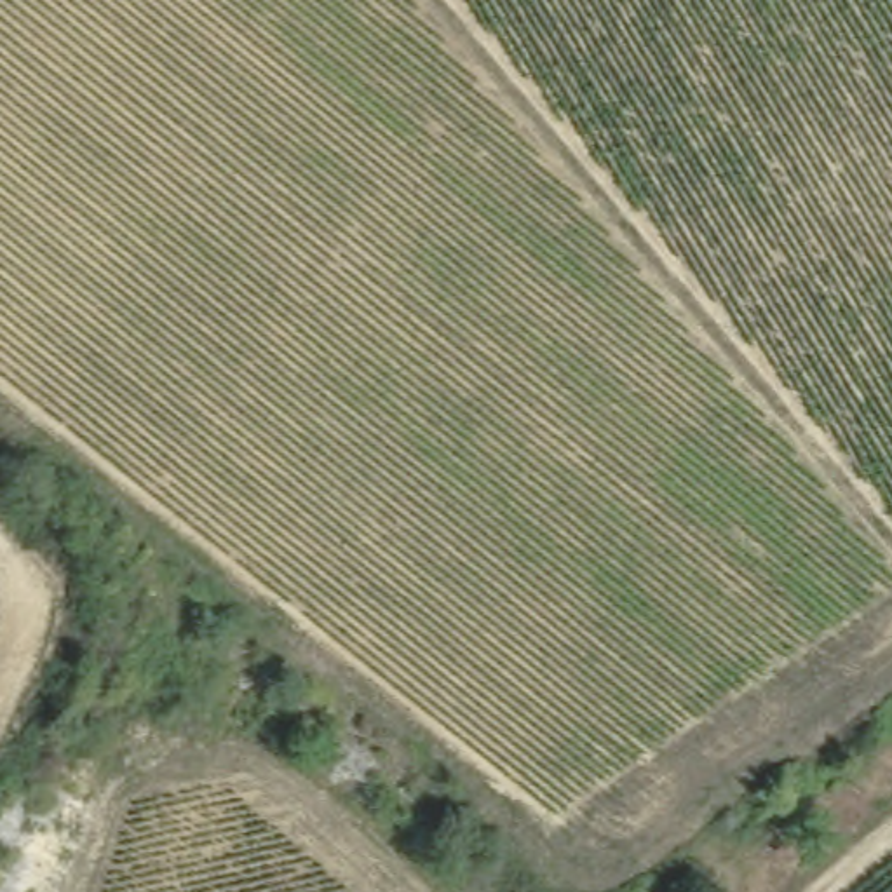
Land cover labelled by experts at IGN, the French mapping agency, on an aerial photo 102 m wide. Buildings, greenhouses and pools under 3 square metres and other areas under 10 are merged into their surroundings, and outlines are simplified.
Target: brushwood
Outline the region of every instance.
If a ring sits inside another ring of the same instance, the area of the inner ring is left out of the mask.
[[[836,812],[815,808],[812,794],[826,794],[833,787],[864,781],[878,753],[878,739],[892,742],[892,700],[882,711],[871,707],[843,735],[826,739],[815,753],[815,763],[784,770],[774,791],[742,791],[735,805],[714,808],[711,819],[669,854],[669,861],[693,864],[693,857],[714,840],[735,850],[763,843],[774,850],[798,847],[801,868],[815,868],[819,875],[829,864],[836,864],[850,847]]]
[[[38,662],[31,683],[24,686],[14,707],[14,718],[7,721],[0,714],[0,815],[7,808],[56,808],[63,794],[52,787],[52,767],[77,770],[80,760],[91,760],[98,777],[112,781],[129,753],[132,725],[146,721],[160,732],[206,746],[216,746],[220,739],[258,742],[268,718],[314,707],[307,693],[314,686],[314,672],[286,666],[279,655],[286,645],[279,641],[279,627],[289,620],[265,599],[247,596],[209,554],[178,537],[164,519],[146,512],[122,488],[115,488],[101,470],[84,463],[66,443],[38,429],[28,443],[0,439],[0,526],[21,551],[31,551],[52,564],[63,571],[63,627],[52,659]]]
[[[432,861],[422,871],[422,878],[436,892],[568,892],[544,885],[537,871],[523,861],[519,847],[498,833],[495,822],[484,822],[470,801],[460,801],[460,815],[446,815],[436,833],[439,861]]]

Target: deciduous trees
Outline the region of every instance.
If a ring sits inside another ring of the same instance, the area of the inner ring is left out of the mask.
[[[286,767],[293,767],[296,774],[321,774],[341,763],[338,739],[317,735],[296,739],[293,760]]]

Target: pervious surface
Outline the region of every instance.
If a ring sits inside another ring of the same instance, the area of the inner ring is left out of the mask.
[[[843,892],[854,878],[861,878],[875,861],[882,861],[892,850],[892,819],[882,822],[864,843],[850,847],[836,864],[829,864],[819,875],[805,892]]]
[[[38,662],[38,645],[52,603],[52,592],[45,589],[45,571],[52,564],[31,551],[21,551],[0,526],[0,714],[7,721],[14,718],[14,707],[24,686],[31,683]]]

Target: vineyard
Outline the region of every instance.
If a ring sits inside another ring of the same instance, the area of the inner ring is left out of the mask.
[[[519,801],[540,826],[561,829],[582,815],[582,808],[596,794],[610,791],[620,774],[627,774],[627,767],[655,760],[655,749],[662,749],[666,739],[693,732],[700,718],[707,718],[721,704],[728,690],[739,693],[770,679],[794,655],[805,655],[812,641],[847,627],[857,617],[857,610],[892,592],[892,0],[0,0],[0,394],[14,408],[21,408],[38,429],[66,443],[84,463],[101,470],[115,488],[122,488],[146,512],[164,519],[178,537],[209,554],[247,596],[265,599],[289,620],[321,648],[328,648],[338,662],[355,669],[366,683],[373,683],[411,721],[432,732],[449,753],[470,763],[477,774],[484,774],[495,791]]]
[[[875,861],[861,878],[854,878],[843,892],[892,892],[892,850],[882,861]]]
[[[268,826],[247,801],[240,801],[233,787],[188,784],[185,791],[157,791],[136,798],[125,808],[112,861],[101,878],[101,892],[348,892],[335,875],[324,871],[321,861],[314,861],[293,840],[286,840],[286,833],[279,833],[275,826]]]

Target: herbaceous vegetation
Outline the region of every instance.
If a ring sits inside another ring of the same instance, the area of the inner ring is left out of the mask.
[[[833,787],[826,794],[812,794],[815,808],[836,812],[850,847],[864,843],[882,822],[892,819],[892,742],[878,739],[878,753],[864,781]]]
[[[21,408],[14,408],[0,394],[0,439],[28,443],[38,429]]]
[[[38,662],[52,659],[63,627],[63,571],[52,564],[45,571],[45,589],[52,592],[52,603],[38,645]]]
[[[338,662],[328,648],[321,648],[289,620],[279,627],[279,641],[286,645],[279,655],[286,666],[314,672],[314,686],[307,693],[314,707],[268,718],[258,742],[220,739],[216,746],[206,746],[160,732],[146,721],[132,725],[129,753],[112,781],[98,777],[91,760],[80,760],[77,770],[52,767],[52,787],[63,794],[56,808],[7,808],[0,815],[0,892],[101,892],[101,878],[112,861],[125,808],[136,798],[157,791],[185,791],[188,784],[233,787],[240,801],[247,801],[268,826],[275,826],[279,833],[286,833],[286,840],[293,840],[314,861],[321,861],[324,871],[335,875],[348,892],[436,892],[422,878],[422,871],[432,861],[439,861],[436,833],[446,815],[460,815],[460,801],[470,801],[484,822],[495,822],[498,833],[519,847],[523,861],[537,871],[544,885],[568,892],[805,892],[819,875],[815,868],[801,868],[798,847],[774,850],[763,843],[735,850],[714,840],[693,857],[693,864],[669,861],[669,854],[711,819],[714,808],[735,805],[742,791],[774,791],[784,770],[815,763],[815,753],[826,739],[843,735],[871,707],[882,711],[892,700],[892,592],[857,610],[857,617],[847,627],[812,641],[805,655],[794,655],[770,679],[739,693],[728,690],[721,704],[707,718],[700,718],[693,732],[666,739],[662,749],[655,749],[655,760],[627,767],[627,774],[620,774],[610,791],[596,794],[582,808],[582,815],[561,829],[540,826],[519,801],[495,791],[484,774],[477,774],[470,763],[449,753],[432,732],[411,721],[373,683],[366,683],[355,669]],[[293,760],[296,739],[317,735],[338,739],[341,763],[321,774],[296,774],[293,767],[286,767]]]

